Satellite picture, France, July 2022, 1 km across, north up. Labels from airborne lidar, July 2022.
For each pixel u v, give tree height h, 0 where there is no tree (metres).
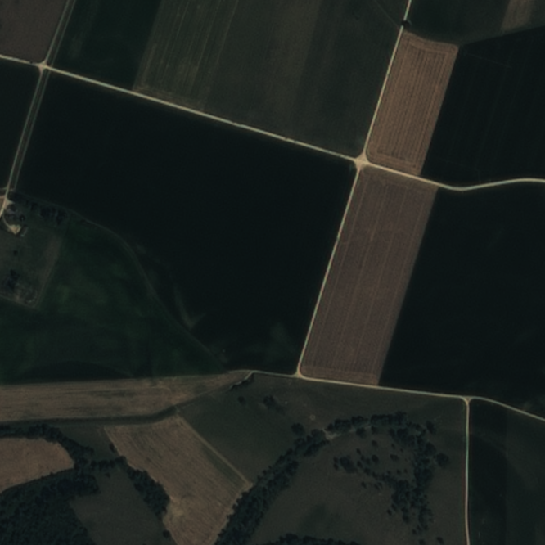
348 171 0
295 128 0
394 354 0
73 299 0
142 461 0
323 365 0
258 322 0
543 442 0
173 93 0
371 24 0
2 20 0
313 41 0
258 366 0
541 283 0
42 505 22
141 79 0
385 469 0
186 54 0
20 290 0
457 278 0
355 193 0
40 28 0
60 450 0
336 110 0
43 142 0
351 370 0
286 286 0
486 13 0
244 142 0
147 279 0
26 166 0
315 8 0
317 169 0
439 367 0
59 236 0
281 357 0
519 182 0
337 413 0
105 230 0
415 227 0
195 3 0
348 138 0
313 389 0
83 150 0
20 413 0
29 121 0
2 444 0
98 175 0
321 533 0
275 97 0
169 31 0
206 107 0
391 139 0
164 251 0
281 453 0
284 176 0
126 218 0
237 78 0
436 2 0
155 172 0
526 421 0
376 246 0
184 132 0
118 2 0
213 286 0
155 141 0
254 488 5
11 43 0
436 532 0
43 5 0
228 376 0
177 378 0
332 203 0
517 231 0
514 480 0
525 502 0
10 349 0
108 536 0
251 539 15
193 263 0
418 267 0
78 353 0
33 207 13
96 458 0
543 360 0
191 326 0
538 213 0
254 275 0
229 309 0
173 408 0
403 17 0
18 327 0
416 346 0
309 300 0
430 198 0
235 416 0
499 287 0
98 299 0
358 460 0
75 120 0
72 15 0
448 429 0
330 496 0
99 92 0
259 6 0
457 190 0
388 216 0
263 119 0
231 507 0
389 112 0
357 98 0
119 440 0
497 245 0
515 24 0
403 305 0
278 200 0
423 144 0
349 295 0
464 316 0
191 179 0
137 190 0
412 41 0
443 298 0
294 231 0
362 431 16
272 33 0
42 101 0
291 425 0
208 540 0
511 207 0
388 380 0
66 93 0
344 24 0
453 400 0
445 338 0
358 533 0
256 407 0
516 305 0
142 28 0
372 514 0
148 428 0
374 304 0
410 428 12
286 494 0
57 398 0
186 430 0
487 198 0
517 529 0
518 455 0
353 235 0
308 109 0
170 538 15
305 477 0
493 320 0
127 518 0
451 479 0
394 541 0
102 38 0
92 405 0
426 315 0
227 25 0
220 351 0
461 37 0
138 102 0
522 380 0
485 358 0
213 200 0
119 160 0
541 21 0
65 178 0
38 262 0
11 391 0
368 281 0
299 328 0
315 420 0
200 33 0
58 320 0
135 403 0
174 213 0
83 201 0
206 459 0
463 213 0
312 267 0
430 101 0
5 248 0
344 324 0
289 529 0
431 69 0
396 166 0
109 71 0
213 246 0
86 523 0
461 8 0
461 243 0
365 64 0
